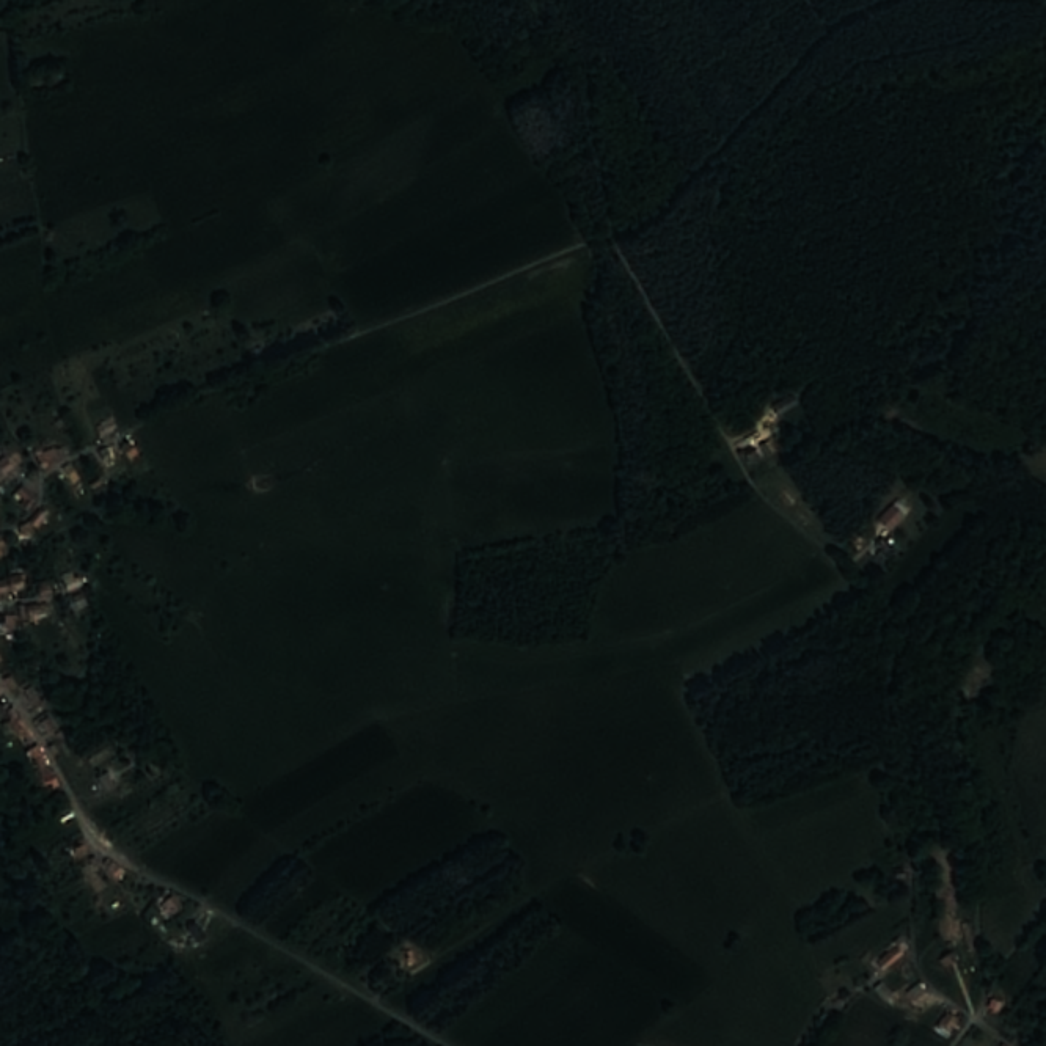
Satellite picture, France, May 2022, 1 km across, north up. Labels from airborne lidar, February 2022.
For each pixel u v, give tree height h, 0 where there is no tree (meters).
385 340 0
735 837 0
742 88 24
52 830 0
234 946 0
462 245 0
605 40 21
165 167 0
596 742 0
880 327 9
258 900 18
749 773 16
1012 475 22
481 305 0
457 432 0
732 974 0
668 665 0
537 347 0
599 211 22
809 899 0
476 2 21
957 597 16
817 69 21
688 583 0
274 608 0
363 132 0
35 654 9
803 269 11
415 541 0
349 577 0
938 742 25
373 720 0
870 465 27
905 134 13
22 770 13
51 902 9
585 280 0
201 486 0
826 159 13
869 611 14
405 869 0
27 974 21
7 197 0
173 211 0
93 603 8
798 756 21
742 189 18
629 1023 0
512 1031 0
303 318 0
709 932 0
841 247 12
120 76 0
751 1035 0
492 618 12
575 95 24
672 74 28
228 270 0
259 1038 0
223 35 0
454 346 0
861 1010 0
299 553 0
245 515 0
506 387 0
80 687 15
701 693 21
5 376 0
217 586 0
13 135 0
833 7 22
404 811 0
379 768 0
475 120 0
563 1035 0
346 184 0
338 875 0
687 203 22
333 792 0
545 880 0
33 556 12
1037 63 11
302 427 0
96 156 0
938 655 11
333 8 0
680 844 0
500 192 0
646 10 28
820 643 16
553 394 0
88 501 0
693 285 24
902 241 13
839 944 0
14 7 18
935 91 13
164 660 0
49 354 0
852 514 23
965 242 12
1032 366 30
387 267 0
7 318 0
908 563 0
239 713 0
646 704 0
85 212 0
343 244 0
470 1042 0
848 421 11
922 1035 0
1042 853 0
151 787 0
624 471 12
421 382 0
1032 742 0
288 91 0
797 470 21
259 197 0
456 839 0
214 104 0
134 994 23
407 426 0
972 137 15
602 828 0
